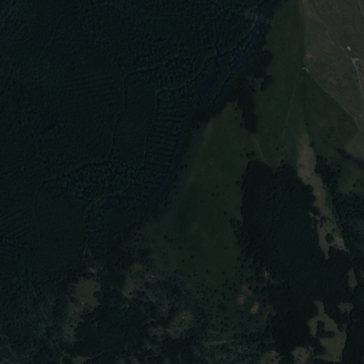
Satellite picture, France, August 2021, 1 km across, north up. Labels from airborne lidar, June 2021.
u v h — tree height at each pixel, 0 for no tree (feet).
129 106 47
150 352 30
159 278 0
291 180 61
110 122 57
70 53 58
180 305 22
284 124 0
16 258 40
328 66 0
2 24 53
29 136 73
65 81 38
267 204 69
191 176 0
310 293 73
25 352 38
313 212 41
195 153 0
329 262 58
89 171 69
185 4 61
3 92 71
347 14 0
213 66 31
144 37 57
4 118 59
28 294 29
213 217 0
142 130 52
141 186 24
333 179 46
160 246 0
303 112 0
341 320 82
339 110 0
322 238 0
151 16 38
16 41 45
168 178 47
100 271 35
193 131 37
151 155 27
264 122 0
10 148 43
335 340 0
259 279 37
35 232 46
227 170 0
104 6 41
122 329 47
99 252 51
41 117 58
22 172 55
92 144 82
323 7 0
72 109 65
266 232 55
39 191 50
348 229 101
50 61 30
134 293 26
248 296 0
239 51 29
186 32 53
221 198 0
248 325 0
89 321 36
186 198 0
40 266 44
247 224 62
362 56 0
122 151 61
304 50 0
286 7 0
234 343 28
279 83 0
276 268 59
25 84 49
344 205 40
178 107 49
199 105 46
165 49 74
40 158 81
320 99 0
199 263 0
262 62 59
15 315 22
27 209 31
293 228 70
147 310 32
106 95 51
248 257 37
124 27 47
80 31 48
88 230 33
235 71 31
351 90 0
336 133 0
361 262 50
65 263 31
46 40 58
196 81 26
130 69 66
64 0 58
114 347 43
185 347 37
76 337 36
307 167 0
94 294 27
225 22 67
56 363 39
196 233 0
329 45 0
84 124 75
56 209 42
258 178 81
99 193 67
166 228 0
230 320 22
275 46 0
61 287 33
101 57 63
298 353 0
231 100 42
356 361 79
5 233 29
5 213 43
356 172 0
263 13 28
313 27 0
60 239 42
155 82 56
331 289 94
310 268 79
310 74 0
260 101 0
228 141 0
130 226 33
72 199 66
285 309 54
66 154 90
